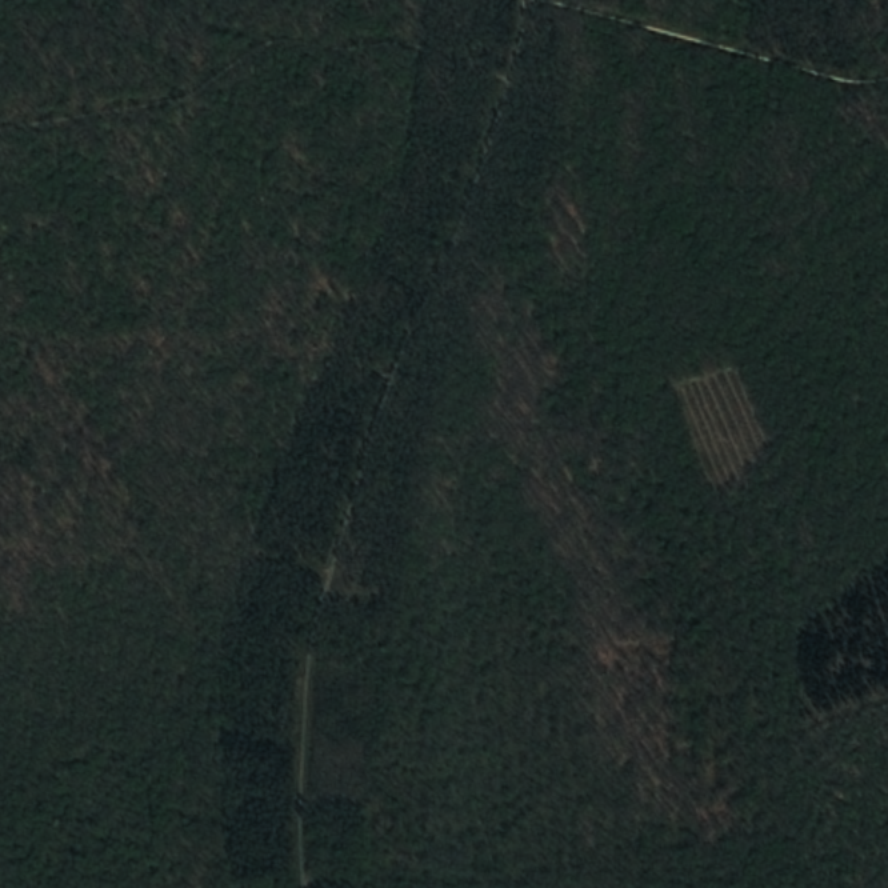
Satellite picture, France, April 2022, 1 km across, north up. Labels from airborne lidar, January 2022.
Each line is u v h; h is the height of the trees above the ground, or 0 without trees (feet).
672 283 70
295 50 70
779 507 77
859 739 66
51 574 76
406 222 81
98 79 80
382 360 83
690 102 79
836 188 92
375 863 72
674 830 81
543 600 58
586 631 90
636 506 84
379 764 87
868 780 64
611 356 63
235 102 67
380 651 58
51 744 73
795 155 87
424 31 80
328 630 85
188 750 75
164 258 84
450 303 71
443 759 79
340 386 87
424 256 80
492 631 73
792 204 89
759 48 73
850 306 81
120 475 73
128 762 65
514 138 83
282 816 86
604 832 65
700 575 79
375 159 80
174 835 65
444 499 78
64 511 91
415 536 84
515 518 74
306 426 90
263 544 69
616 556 94
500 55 76
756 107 74
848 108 84
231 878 76
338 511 79
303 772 0
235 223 79
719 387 0
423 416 94
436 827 88
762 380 66
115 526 90
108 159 80
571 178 83
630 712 31
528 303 91
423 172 73
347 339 87
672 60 79
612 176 74
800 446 73
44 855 72
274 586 79
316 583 34
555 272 89
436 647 70
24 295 78
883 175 77
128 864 63
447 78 79
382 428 85
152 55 87
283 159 83
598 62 68
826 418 72
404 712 63
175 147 79
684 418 66
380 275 86
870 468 71
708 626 90
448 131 84
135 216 89
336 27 76
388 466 78
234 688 75
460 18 83
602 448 88
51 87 83
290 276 80
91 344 77
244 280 87
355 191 78
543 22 54
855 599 38
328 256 72
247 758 89
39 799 67
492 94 81
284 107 76
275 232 73
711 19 85
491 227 88
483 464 75
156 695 73
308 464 77
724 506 75
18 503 91
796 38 91
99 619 73
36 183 76
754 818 76
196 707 62
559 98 68
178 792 68
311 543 73
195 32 0
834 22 99
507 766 70
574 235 92
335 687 34
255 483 68
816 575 67
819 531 73
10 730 74
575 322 83
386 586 74
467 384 75
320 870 64
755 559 83
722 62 75
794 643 70
